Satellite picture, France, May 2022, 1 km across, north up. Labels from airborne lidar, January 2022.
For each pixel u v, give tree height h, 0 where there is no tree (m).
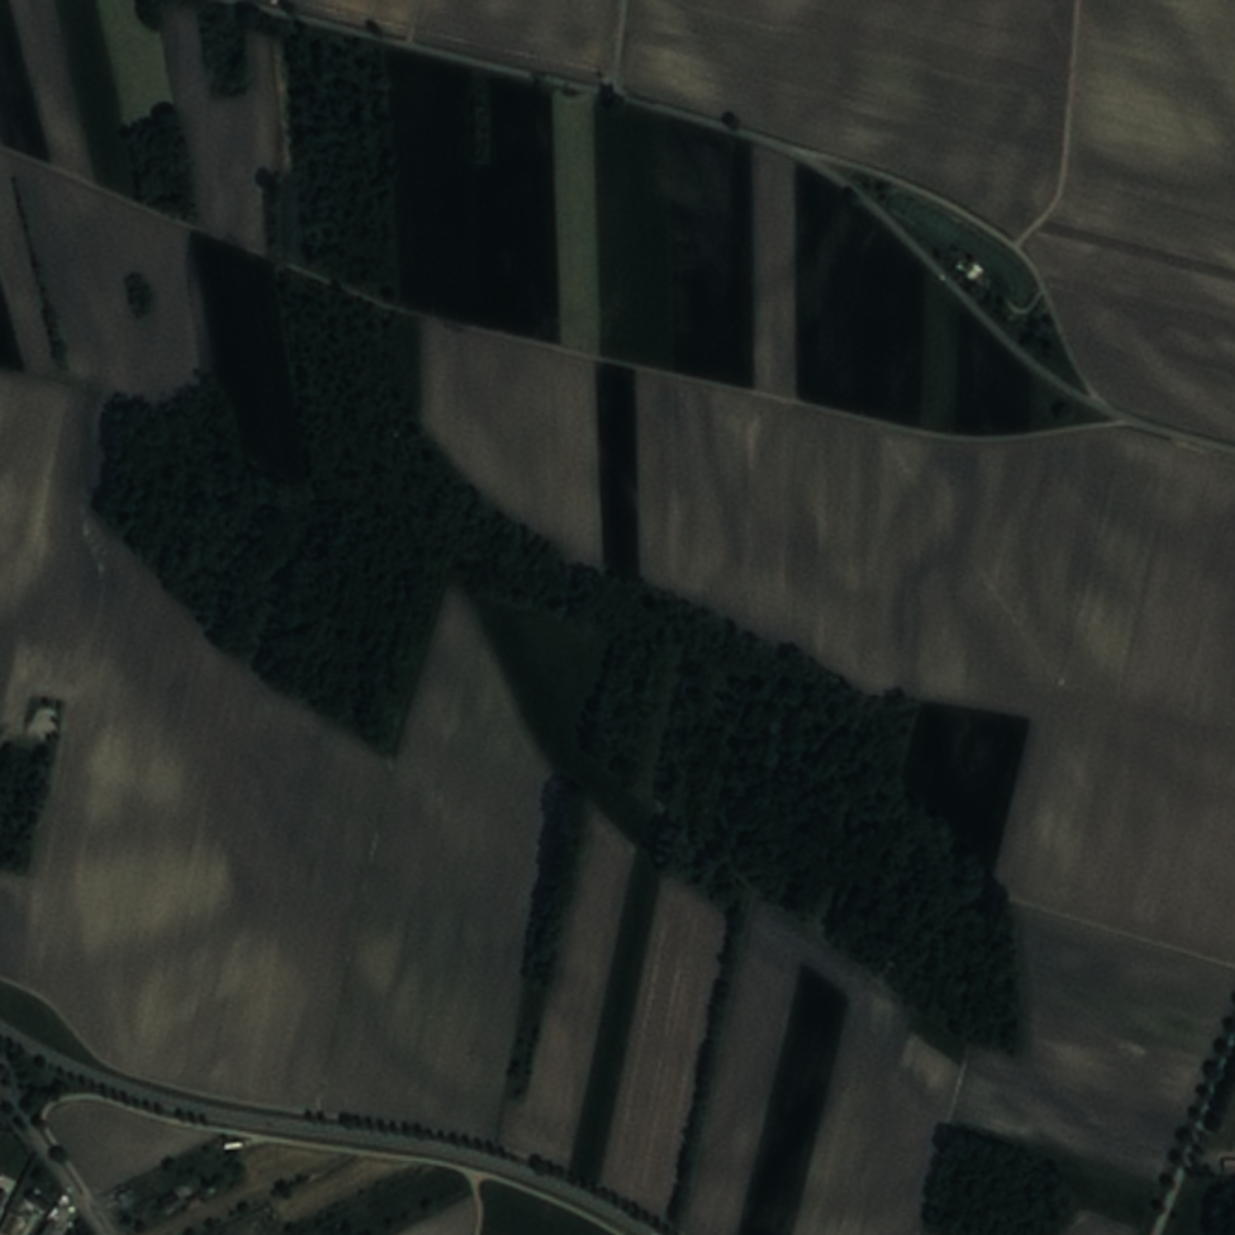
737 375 0
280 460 0
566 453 0
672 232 0
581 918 0
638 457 0
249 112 0
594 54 0
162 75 0
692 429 0
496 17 0
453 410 0
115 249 0
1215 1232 22
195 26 0
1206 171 0
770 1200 0
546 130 0
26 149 0
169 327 0
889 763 7
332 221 17
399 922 0
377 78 18
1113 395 0
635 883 0
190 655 0
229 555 14
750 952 0
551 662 0
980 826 0
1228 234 0
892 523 0
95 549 0
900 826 19
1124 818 0
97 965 0
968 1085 0
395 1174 0
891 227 0
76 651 0
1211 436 0
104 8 0
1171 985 0
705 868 22
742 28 0
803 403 0
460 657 0
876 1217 0
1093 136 0
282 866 0
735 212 0
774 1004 0
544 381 0
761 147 0
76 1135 0
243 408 0
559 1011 0
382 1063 0
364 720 20
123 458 20
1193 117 0
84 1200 0
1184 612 0
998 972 16
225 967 0
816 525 0
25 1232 0
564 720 0
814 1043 0
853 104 0
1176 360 0
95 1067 0
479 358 0
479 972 0
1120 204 0
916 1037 0
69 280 0
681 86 0
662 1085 0
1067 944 0
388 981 0
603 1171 0
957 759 0
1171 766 0
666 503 0
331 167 15
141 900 0
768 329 0
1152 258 0
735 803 24
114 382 0
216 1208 0
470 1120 0
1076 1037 0
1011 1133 0
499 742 0
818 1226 0
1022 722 0
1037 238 0
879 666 0
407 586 19
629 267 0
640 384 0
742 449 0
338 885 0
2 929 0
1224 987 0
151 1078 0
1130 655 0
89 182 0
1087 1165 0
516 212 0
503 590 7
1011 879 0
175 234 0
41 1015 0
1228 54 0
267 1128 0
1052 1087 0
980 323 0
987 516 0
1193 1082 0
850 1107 0
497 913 0
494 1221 0
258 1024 0
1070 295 0
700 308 0
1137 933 0
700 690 20
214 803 0
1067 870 0
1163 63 0
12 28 0
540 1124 0
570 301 0
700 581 0
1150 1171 0
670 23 0
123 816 0
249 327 0
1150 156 0
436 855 0
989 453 0
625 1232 0
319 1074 0
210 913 0
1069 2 0
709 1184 0
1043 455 0
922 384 0
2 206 0
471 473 0
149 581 0
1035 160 0
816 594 0
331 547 23
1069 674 0
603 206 0
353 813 0
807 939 0
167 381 0
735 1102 0
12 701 0
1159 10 0
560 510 0
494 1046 0
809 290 0
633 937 0
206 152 0
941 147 0
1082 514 0
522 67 0
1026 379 0
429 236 0
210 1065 0
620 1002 0
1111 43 0
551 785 0
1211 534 0
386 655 8
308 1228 0
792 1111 0
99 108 0
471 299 0
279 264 0
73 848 0
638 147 0
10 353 0
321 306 17
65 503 0
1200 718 0
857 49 0
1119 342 0
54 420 0
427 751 0
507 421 0
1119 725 0
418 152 0
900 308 0
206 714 0
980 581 0
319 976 0
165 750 0
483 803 0
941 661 0
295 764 0
